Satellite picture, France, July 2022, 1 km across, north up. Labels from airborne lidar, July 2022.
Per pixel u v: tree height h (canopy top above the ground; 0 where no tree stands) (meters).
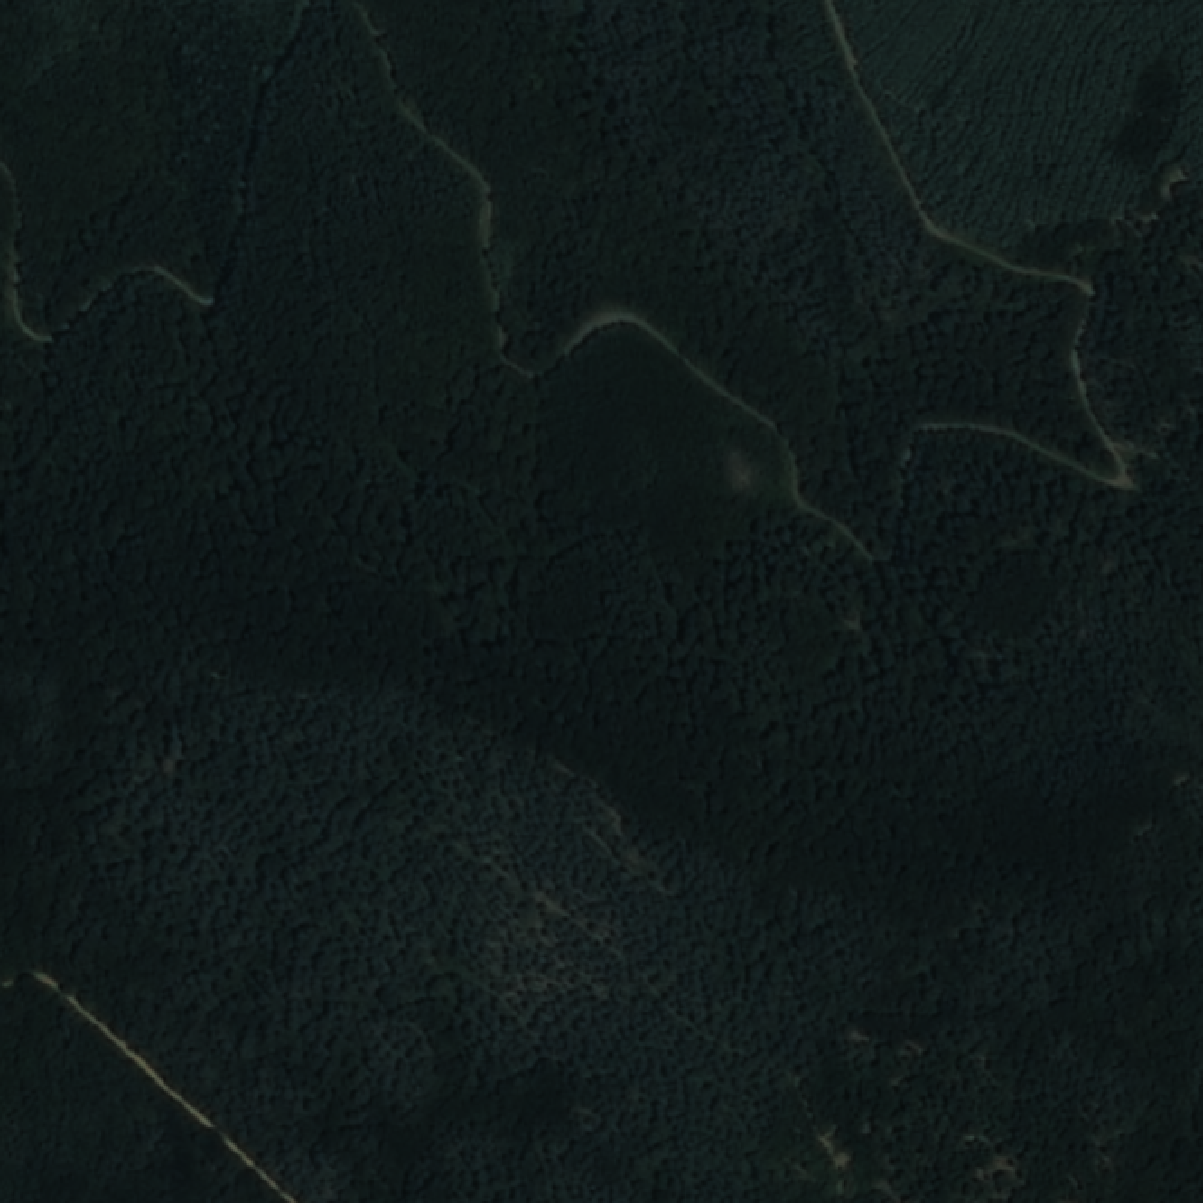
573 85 23
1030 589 14
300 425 29
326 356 21
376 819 28
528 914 16
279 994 22
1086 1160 21
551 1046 22
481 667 27
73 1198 23
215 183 8
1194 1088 27
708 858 21
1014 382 33
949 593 27
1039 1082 26
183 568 21
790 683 16
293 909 26
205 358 32
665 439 12
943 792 24
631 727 26
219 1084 11
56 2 12
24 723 27
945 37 14
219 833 26
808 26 13
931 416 14
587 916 17
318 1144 12
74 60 9
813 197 22
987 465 20
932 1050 22
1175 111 6
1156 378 19
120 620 24
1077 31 11
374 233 22
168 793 25
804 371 24
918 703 19
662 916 23
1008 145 17
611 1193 16
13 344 10
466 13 17
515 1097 23
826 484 20
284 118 24
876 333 27
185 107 17
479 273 9
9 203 15
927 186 14
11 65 15
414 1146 22
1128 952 19
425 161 19
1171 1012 15
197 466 31
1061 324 26
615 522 14
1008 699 15
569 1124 15
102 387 19
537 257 21
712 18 15
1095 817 19
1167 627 8
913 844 28
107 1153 16
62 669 22
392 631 24
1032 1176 18
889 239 20
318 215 24
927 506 22
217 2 15
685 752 29
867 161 22
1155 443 11
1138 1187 23
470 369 18
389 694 25
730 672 23
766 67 23
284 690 21
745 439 14
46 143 21
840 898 19
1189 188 17
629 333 11
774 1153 13
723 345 15
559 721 22
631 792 20
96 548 31
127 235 19
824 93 24
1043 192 17
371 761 21
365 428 16
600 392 11
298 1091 26
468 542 23
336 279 12
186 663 28
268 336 26
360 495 21
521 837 20
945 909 17
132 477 24
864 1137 24
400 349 22
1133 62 15
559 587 14
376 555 30
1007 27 13
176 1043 9
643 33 23
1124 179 14
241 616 25
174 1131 26
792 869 27
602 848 22
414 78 24
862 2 9
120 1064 19
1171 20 13
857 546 16
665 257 11
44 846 20
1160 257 24
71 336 19
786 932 19
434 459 25
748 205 17
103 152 22
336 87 19
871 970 23
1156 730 9
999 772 12
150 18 21
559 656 28
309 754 22
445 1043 25
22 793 29
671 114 24
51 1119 25
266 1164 16
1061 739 16
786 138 27
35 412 19
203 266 29
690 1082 24
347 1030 25
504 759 8
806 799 31
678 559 17
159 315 24
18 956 24
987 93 14
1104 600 6
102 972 11
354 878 25
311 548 30
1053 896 17
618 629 18
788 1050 24
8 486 18
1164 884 18
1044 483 24
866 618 11
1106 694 12
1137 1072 18
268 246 17
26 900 30
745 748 25
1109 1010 19
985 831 18
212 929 7
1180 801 18
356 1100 26
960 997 26
